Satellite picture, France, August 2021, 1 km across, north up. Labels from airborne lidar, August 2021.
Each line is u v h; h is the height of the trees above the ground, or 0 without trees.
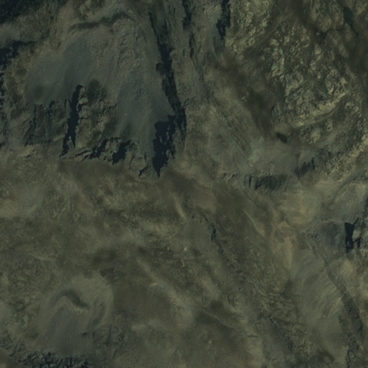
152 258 0
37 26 0
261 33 0
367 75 0
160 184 0
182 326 0
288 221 0
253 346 0
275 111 0
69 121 0
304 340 0
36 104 0
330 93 0
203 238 0
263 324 0
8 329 0
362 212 0
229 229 0
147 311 0
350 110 0
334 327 0
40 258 0
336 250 0
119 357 0
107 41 0
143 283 0
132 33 0
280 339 0
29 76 0
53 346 0
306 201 0
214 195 0
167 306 0
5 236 0
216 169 0
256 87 0
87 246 0
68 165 0
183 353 0
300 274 0
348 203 0
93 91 0
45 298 0
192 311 0
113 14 0
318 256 0
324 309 0
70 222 0
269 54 0
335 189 0
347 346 0
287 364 0
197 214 0
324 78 0
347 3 0
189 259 0
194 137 0
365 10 0
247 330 0
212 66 0
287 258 0
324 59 0
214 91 0
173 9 0
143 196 0
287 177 0
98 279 0
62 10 0
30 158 0
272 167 0
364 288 0
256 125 0
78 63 0
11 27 0
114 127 0
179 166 0
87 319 0
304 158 0
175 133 0
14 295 0
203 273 0
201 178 0
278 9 0
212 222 0
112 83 0
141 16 0
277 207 0
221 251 0
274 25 0
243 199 0
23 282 0
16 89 0
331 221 0
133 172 0
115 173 0
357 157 0
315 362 0
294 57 0
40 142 0
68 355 0
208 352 0
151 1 0
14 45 0
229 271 0
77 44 0
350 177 0
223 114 0
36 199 0
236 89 0
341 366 0
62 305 0
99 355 0
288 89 0
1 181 0
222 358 0
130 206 0
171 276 0
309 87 0
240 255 0
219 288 0
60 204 0
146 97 0
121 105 0
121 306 0
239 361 0
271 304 0
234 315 0
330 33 0
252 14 0
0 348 0
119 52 0
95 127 0
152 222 0
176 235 0
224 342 0
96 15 0
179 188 0
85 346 0
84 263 0
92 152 0
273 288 0
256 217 0
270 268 0
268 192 0
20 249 0
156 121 0
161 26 0
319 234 0
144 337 0
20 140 0
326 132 0
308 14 0
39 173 0
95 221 0
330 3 0
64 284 0
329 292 0
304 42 0
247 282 0
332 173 0
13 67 0
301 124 0
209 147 0
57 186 0
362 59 0
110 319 0
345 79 0
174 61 0
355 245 0
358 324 0
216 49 0
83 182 0
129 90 0
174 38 0
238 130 0
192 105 0
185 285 0
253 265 0
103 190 0
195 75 0
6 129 0
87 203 0
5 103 0
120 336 0
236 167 0
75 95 0
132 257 0
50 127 0
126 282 0
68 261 0
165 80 0
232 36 0
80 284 0
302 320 0
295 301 0
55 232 0
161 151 0
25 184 0
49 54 0
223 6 0
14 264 0
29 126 0
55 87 0
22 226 0
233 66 0
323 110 0
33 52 9
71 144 0
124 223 0
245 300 0
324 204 0
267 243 0
